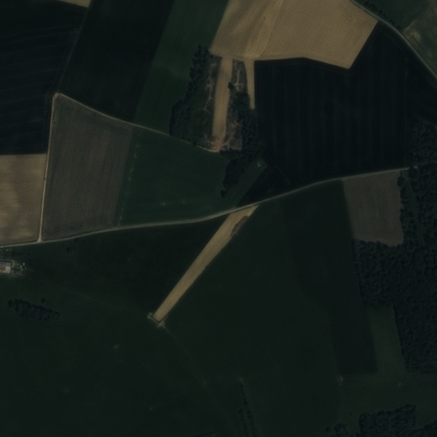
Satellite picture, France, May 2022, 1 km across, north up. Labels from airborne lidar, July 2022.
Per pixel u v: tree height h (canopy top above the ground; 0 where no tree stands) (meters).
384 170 0
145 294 0
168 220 0
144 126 0
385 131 0
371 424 9
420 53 0
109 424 0
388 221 0
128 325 0
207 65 28
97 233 0
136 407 0
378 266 17
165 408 0
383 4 0
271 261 0
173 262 0
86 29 0
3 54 0
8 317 0
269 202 0
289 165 0
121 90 0
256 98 0
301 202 0
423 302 25
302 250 0
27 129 0
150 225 0
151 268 0
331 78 0
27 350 0
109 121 0
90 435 0
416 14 0
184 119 26
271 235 0
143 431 0
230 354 0
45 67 0
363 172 0
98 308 0
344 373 0
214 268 0
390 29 0
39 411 0
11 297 0
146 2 0
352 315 0
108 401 0
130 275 0
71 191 0
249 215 0
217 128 0
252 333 0
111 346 0
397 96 0
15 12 0
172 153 0
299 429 0
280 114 0
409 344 23
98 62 0
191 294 0
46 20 0
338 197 0
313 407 0
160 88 0
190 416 0
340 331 0
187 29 0
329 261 0
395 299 27
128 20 0
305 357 0
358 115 0
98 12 0
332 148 0
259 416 0
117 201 0
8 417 0
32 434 0
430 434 22
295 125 0
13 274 0
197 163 0
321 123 0
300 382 0
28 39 0
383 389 0
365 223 0
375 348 0
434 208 28
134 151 0
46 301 8
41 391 0
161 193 0
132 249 0
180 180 0
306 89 0
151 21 0
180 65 0
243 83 0
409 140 0
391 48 0
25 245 0
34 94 0
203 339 0
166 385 0
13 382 0
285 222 0
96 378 0
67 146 0
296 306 0
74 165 0
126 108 0
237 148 0
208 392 0
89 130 0
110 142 0
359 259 20
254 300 0
